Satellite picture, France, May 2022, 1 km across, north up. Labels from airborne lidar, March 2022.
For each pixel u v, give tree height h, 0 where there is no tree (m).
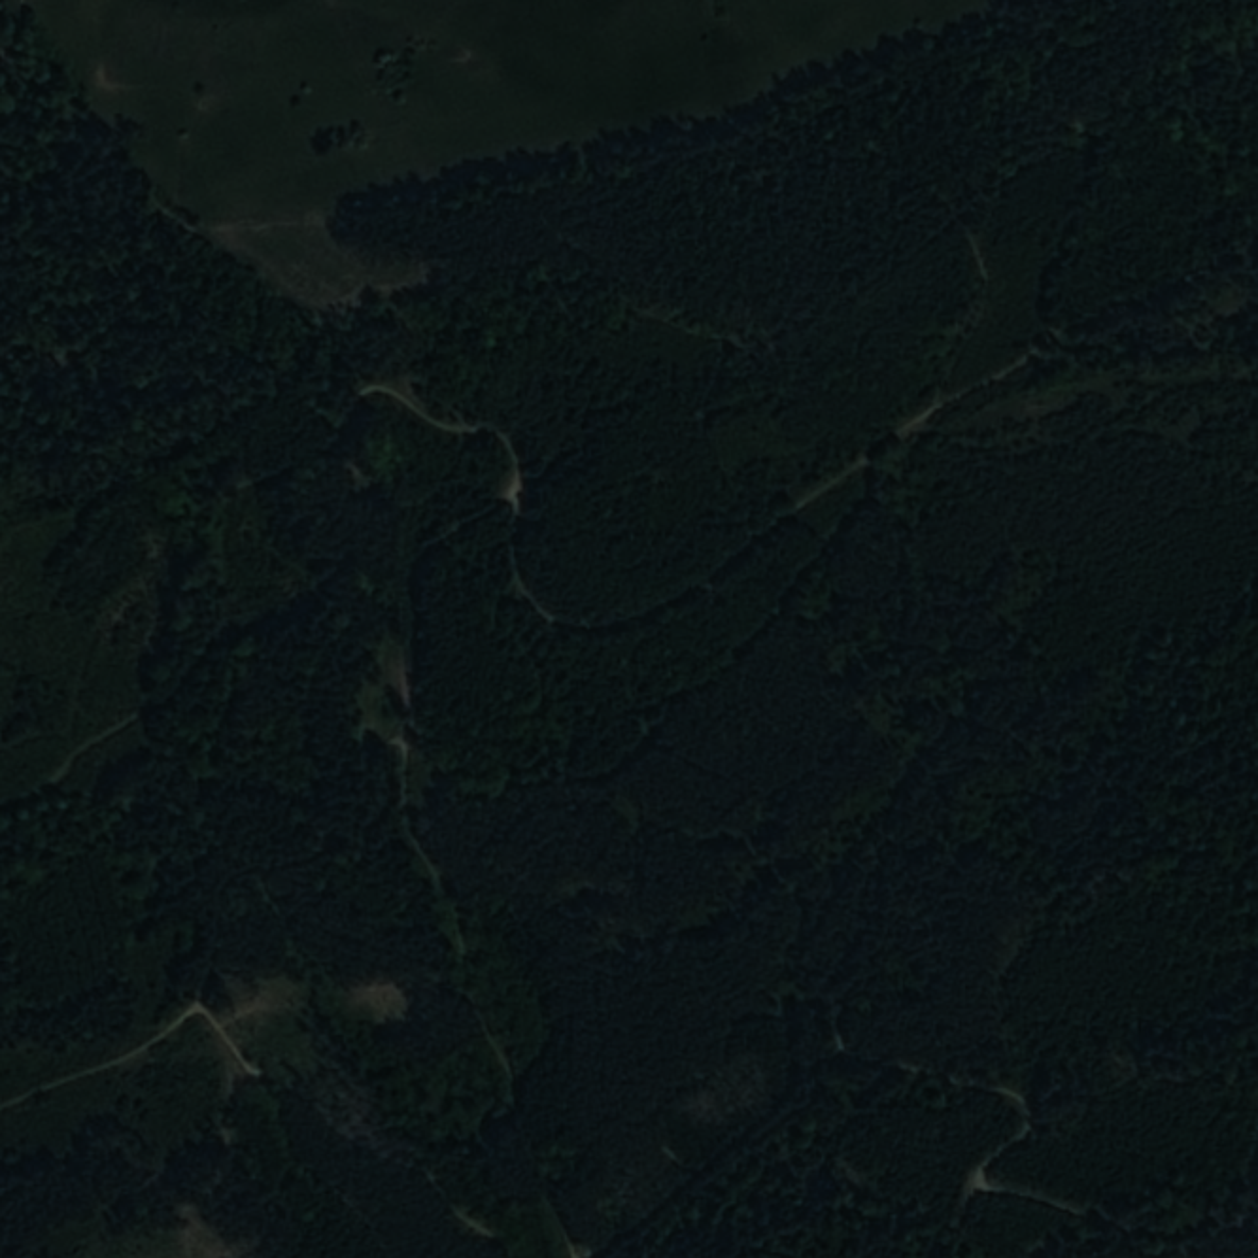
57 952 12
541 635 16
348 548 34
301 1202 23
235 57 0
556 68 0
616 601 19
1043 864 14
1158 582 10
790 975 28
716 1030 24
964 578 11
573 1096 23
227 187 0
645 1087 22
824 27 0
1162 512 11
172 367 36
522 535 19
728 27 0
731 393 16
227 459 36
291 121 0
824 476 7
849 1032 20
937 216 19
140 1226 26
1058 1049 12
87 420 6
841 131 20
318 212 0
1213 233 24
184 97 0
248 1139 18
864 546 22
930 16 0
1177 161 25
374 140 0
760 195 22
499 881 22
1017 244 11
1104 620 10
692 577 19
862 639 30
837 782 32
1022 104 27
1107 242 16
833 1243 15
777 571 24
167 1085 8
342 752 29
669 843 24
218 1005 26
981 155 21
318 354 17
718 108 0
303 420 26
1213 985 11
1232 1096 8
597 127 0
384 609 34
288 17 0
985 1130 11
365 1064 7
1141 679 21
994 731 30
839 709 19
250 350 18
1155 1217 25
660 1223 23
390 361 42
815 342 21
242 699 32
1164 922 11
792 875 27
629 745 19
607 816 22
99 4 0
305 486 36
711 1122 17
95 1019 21
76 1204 29
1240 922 10
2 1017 25
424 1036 31
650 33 0
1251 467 10
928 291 23
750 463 11
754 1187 21
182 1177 30
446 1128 9
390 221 29
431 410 10
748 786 24
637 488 14
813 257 20
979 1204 8
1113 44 31
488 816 24
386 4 0
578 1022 21
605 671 12
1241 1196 26
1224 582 11
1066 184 18
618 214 26
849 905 29
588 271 20
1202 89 35
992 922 22
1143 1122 11
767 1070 19
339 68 0
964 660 29
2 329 37
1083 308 25
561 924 30
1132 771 22
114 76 0
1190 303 42
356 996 0
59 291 37
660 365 10
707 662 21
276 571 9
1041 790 10
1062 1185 9
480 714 15
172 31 0
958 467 11
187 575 37
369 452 25
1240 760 20
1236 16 32
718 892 22
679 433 13
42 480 37
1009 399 6
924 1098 8
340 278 0
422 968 27
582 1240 19
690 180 25
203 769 26
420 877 15
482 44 0
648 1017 23
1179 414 8
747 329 15
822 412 15
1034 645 26
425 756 23
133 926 12
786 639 21
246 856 30
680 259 23
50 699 16
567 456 12
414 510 13
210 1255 0
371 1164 23
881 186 19
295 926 23
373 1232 18
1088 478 11
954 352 8
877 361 17
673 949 26
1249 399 10
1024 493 11
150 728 25
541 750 13
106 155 34
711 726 25
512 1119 29
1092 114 26
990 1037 24
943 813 27
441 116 0
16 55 35
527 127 0
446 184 7
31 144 38
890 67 22
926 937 29
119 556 21
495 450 15
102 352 31
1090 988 9
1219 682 12
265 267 0
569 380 11
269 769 11
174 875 32
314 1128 27
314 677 29
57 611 10
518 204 27
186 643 26
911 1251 16
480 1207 19
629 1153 22
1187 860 32
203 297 21
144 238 40
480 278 25
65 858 7
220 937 29
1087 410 10
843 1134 12
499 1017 15
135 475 18
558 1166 18
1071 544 14
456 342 17
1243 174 19
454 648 23
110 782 28
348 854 20
